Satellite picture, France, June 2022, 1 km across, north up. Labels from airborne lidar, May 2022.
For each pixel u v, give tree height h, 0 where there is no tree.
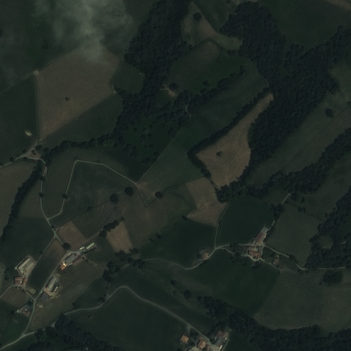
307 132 0
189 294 22
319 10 0
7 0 0
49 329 16
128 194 14
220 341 0
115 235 0
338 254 15
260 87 0
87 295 0
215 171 0
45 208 0
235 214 0
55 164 0
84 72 0
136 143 0
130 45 15
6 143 0
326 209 0
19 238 0
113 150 0
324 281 7
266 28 23
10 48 0
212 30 0
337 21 0
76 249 0
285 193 0
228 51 11
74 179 0
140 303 0
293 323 0
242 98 0
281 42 20
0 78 0
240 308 0
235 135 0
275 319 0
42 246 0
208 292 0
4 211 0
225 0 0
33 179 19
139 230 0
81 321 0
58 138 0
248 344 0
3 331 0
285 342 23
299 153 0
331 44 16
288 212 0
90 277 0
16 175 0
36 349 27
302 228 0
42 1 0
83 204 0
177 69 0
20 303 0
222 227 0
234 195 27
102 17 0
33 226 0
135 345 0
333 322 0
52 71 0
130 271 0
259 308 0
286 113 17
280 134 21
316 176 19
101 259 0
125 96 20
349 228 0
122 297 0
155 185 0
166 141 0
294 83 19
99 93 0
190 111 19
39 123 0
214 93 21
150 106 19
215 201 0
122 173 0
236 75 11
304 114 14
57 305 0
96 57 0
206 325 0
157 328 0
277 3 0
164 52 21
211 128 0
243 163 0
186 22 0
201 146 20
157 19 14
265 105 0
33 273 0
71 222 0
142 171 0
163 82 12
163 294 0
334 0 0
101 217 0
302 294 0
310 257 12
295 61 18
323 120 0
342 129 0
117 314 0
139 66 11
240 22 22
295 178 17
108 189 0
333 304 0
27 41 0
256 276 0
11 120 0
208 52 0
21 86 0
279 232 0
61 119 0
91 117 0
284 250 0
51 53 0
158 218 0
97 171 0
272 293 0
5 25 0
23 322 0
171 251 0
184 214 0
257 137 17
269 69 19
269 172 0
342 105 0
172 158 0
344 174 0
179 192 0
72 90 0
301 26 0
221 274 0
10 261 0
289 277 0
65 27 0
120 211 0
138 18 0
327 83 23
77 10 0
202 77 0
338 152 19
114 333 0
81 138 0
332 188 0
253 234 0
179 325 0
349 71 0
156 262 0
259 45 18
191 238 0
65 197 16
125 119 15
